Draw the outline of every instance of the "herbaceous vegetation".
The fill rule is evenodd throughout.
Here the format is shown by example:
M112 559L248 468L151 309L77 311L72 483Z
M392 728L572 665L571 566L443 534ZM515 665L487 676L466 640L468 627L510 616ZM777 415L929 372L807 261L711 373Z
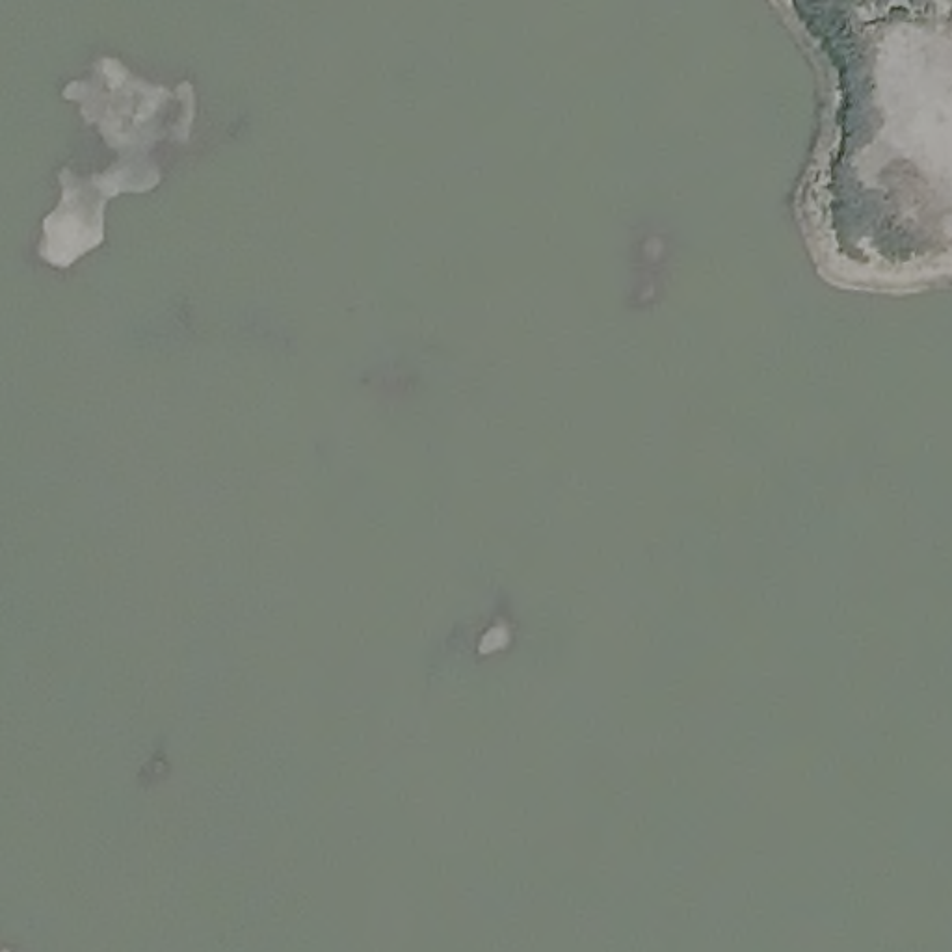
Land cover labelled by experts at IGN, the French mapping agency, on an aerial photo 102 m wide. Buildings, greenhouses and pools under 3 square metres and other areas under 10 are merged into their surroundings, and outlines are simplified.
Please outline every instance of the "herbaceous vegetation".
M885 41L885 30L896 22L952 26L952 0L770 0L781 11L785 26L796 33L796 41L807 48L822 86L837 78L840 86L840 141L829 160L829 216L837 231L837 249L855 264L866 264L859 238L874 238L881 257L907 260L911 231L900 223L896 193L866 190L855 179L852 152L866 145L870 134L881 126L881 112L874 104L874 60L878 45Z

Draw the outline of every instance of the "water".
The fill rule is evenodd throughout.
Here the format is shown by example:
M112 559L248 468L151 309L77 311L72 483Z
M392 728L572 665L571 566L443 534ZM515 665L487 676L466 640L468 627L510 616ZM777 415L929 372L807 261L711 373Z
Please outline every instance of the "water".
M82 119L78 104L67 100L67 82L86 82L100 67L100 60L115 60L123 63L123 71L152 86L193 86L193 156L167 179L160 179L152 190L112 197L104 212L100 245L86 249L71 264L52 264L45 257L45 219L60 208L63 164L78 152L78 138L93 126ZM807 167L814 164L814 149L822 138L822 86L807 48L796 41L796 33L785 26L781 11L770 0L0 0L0 952L952 952L952 279L937 279L930 290L919 294L870 294L833 286L818 275L807 234L796 219L796 186L807 179Z

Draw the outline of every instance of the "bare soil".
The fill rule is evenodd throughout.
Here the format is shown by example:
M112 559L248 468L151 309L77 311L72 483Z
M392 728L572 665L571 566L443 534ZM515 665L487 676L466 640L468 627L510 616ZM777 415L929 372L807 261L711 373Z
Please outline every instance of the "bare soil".
M852 152L855 179L866 190L896 193L900 223L911 231L907 260L881 257L874 238L859 238L866 264L855 264L837 249L837 231L829 216L829 160L840 141L840 86L837 78L822 86L822 138L814 149L814 164L807 167L807 179L796 186L796 219L807 234L818 275L833 286L870 294L919 294L930 290L937 279L952 279L952 26L896 22L885 30L885 41L878 45L874 60L874 104L881 112L881 126L870 134L866 145Z
M45 257L52 264L71 264L86 249L100 245L104 212L112 197L152 190L160 179L167 179L193 156L193 86L152 86L123 71L123 63L115 60L100 60L100 67L86 82L67 82L67 100L78 104L82 119L93 126L78 138L78 152L63 164L60 208L45 219Z

